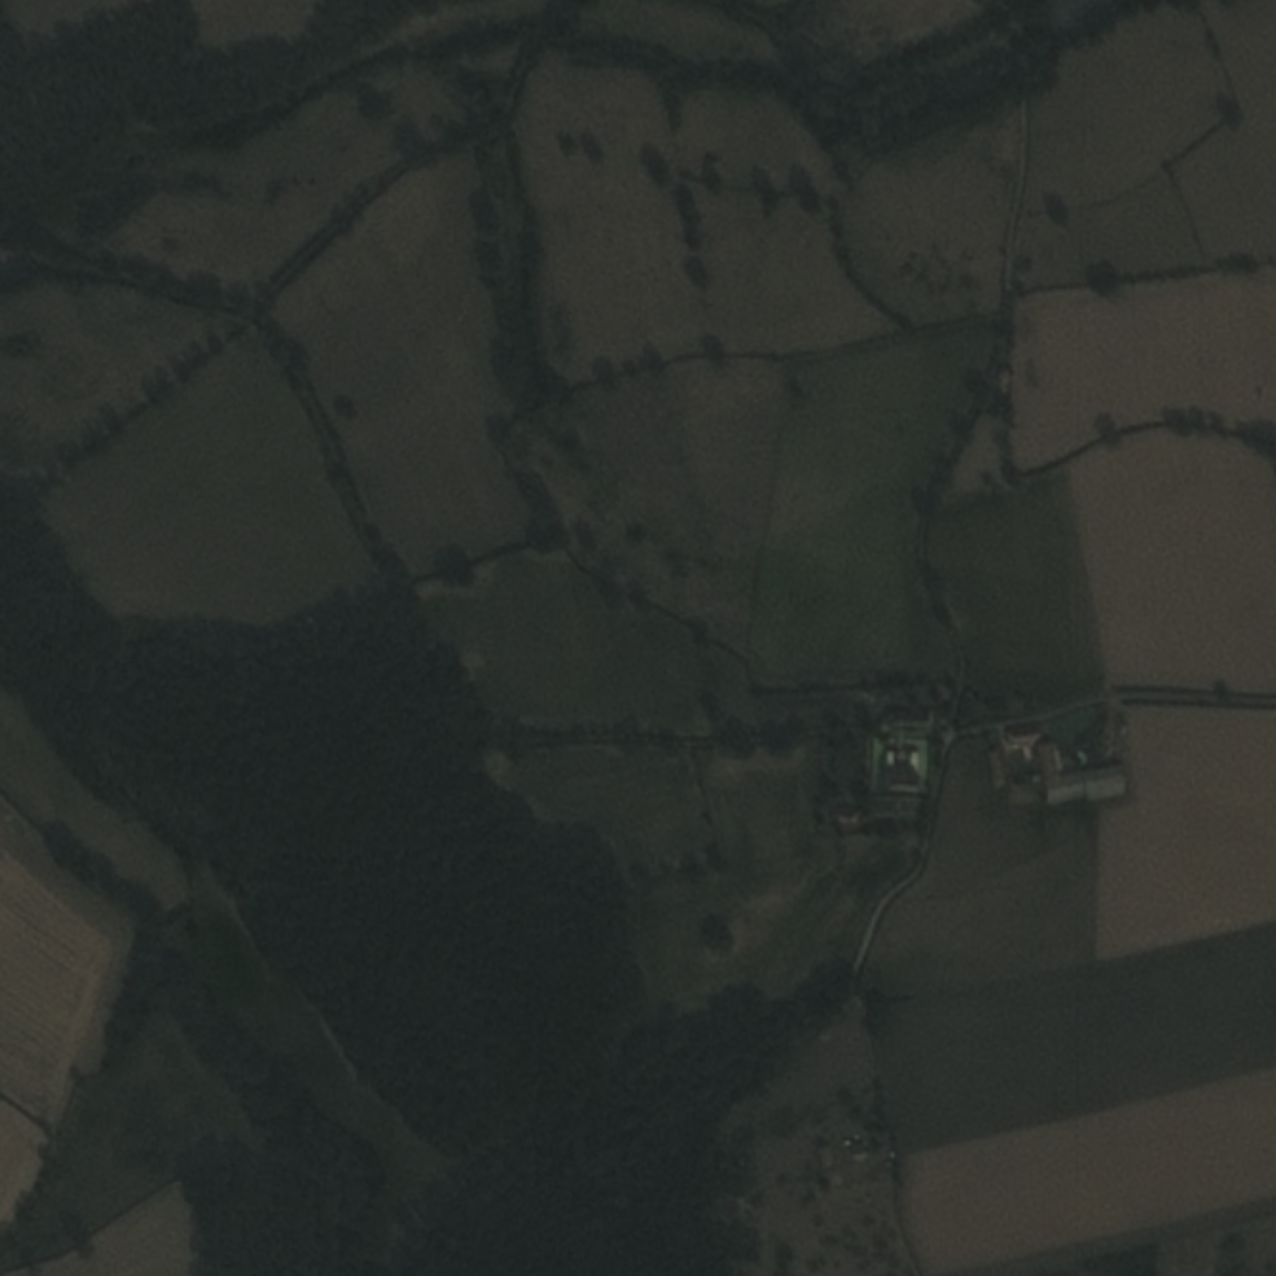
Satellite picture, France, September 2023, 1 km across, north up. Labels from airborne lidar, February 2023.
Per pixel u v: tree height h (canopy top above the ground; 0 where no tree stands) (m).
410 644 15
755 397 0
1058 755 0
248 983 0
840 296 0
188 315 0
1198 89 0
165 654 7
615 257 0
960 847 0
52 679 19
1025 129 0
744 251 0
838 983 22
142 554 0
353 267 0
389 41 0
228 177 0
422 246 0
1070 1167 0
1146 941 0
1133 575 0
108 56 20
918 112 18
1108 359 0
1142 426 0
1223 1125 0
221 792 19
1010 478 18
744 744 17
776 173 0
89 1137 0
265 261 0
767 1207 0
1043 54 19
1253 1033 0
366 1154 15
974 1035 0
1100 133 0
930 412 0
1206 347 0
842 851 0
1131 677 0
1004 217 0
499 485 0
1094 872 0
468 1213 13
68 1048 0
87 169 0
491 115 18
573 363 0
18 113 20
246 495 0
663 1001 0
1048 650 0
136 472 0
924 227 0
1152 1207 0
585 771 0
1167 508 0
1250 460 0
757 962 0
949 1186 0
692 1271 12
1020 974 0
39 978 0
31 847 0
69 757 21
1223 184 0
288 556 0
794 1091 0
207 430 0
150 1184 0
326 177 0
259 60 18
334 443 11
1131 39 0
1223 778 0
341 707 16
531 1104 21
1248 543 0
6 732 0
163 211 0
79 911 0
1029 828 0
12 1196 0
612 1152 11
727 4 20
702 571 0
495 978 23
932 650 0
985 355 0
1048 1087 0
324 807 19
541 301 0
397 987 7
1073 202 0
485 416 0
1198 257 0
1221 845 0
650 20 0
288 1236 20
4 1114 0
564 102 0
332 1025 22
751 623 0
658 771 0
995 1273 0
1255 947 0
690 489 0
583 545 14
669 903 0
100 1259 0
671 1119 11
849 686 0
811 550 0
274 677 19
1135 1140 0
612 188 0
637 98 0
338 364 0
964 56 0
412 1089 23
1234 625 0
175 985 20
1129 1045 0
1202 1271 0
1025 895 0
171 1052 0
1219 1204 0
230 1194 23
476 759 17
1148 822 0
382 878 18
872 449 0
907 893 0
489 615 0
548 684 0
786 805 0
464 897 22
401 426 0
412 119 0
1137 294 0
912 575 0
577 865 15
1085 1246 0
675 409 0
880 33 0
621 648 0
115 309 0
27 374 0
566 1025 22
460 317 0
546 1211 11
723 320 0
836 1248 0
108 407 0
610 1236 11
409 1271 19
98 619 14
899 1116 0
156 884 0
